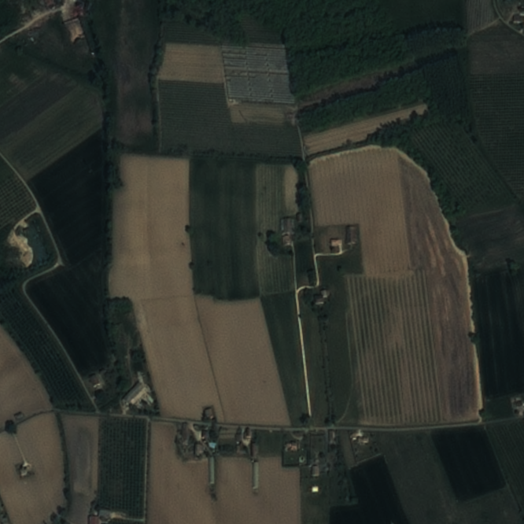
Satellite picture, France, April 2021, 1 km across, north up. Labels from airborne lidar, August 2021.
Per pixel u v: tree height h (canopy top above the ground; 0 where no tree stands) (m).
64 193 0
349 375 0
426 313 0
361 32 21
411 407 0
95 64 0
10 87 0
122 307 17
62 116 0
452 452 0
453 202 23
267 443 0
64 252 0
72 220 0
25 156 0
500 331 0
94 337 0
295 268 0
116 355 13
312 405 0
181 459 0
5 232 0
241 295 0
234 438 0
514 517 0
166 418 0
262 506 0
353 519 0
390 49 23
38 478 0
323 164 0
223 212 0
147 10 0
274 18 24
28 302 24
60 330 0
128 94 0
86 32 0
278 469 0
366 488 0
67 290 0
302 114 13
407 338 0
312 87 25
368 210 0
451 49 21
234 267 0
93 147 0
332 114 19
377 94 21
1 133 0
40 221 0
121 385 15
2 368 0
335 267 0
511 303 0
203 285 0
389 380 0
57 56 0
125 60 0
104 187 0
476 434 0
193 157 19
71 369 24
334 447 6
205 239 0
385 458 0
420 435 0
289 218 0
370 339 0
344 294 0
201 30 24
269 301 0
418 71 19
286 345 0
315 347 0
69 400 26
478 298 0
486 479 0
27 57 0
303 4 31
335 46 15
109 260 13
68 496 17
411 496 0
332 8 26
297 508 0
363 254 0
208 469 0
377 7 27
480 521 0
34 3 0
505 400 0
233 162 0
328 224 0
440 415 0
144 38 0
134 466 5
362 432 0
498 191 18
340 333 0
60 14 0
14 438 0
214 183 0
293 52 20
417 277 0
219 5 27
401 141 19
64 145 0
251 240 0
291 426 0
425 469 0
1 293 26
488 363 0
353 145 16
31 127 0
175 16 22
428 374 0
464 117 25
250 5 23
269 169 0
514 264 15
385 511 0
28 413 0
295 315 0
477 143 20
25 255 0
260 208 0
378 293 0
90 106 0
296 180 0
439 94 29
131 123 0
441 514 0
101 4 0
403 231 0
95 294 0
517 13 0
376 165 0
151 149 0
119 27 0
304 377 0
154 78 16
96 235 0
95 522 0
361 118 20
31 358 22
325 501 0
